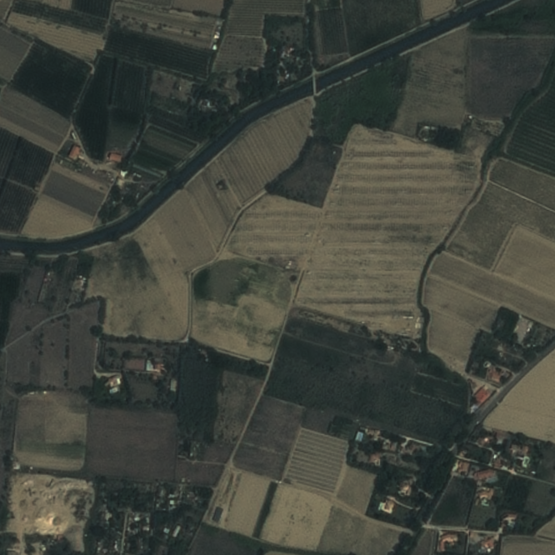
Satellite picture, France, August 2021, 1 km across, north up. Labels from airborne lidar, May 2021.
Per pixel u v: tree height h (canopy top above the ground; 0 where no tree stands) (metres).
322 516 0
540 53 0
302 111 0
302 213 0
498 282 0
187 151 0
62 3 0
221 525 0
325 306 0
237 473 0
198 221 0
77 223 0
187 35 0
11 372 0
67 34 0
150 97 8
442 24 0
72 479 0
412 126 0
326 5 0
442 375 10
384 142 0
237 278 0
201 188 0
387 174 0
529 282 0
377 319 0
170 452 0
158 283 0
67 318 6
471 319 0
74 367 0
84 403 0
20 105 0
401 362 0
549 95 6
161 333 0
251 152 0
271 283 0
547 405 0
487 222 0
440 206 0
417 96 0
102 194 0
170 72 7
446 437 12
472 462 7
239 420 0
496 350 0
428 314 6
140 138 12
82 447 0
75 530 0
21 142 10
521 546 0
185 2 0
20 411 0
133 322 0
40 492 0
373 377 0
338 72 0
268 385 6
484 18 20
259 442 0
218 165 0
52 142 0
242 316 0
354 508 0
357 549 0
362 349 0
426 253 0
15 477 0
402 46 0
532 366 0
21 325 0
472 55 0
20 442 0
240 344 0
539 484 0
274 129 0
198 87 8
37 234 0
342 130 6
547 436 0
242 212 0
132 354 7
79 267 8
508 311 7
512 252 0
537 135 6
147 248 0
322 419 0
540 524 7
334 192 0
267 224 0
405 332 0
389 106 6
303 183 0
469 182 0
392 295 0
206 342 0
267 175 0
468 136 0
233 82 0
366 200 0
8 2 0
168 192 0
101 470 0
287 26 6
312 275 0
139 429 0
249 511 0
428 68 0
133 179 0
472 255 0
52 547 12
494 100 0
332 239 0
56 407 0
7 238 0
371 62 0
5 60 0
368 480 0
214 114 7
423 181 0
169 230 0
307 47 5
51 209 0
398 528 0
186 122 9
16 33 20
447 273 0
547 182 0
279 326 0
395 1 0
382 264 0
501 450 7
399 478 8
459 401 0
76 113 7
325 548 0
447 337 0
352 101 6
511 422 0
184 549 8
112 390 0
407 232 0
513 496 8
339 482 0
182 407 10
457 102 0
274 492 0
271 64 8
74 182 0
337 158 0
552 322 0
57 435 0
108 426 0
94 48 0
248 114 0
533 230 0
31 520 0
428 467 17
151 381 7
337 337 0
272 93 13
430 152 0
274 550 6
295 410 0
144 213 0
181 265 0
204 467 0
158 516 14
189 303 0
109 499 7
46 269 7
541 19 6
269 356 0
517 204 0
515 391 0
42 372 0
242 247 0
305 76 6
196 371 12
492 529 13
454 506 0
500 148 7
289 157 0
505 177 0
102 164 0
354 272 0
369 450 8
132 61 11
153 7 0
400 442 8
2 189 9
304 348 0
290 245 0
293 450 0
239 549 0
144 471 0
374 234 0
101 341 8
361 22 0
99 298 8
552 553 0
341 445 0
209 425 6
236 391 0
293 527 0
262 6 0
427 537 0
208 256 0
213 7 0
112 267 0
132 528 7
